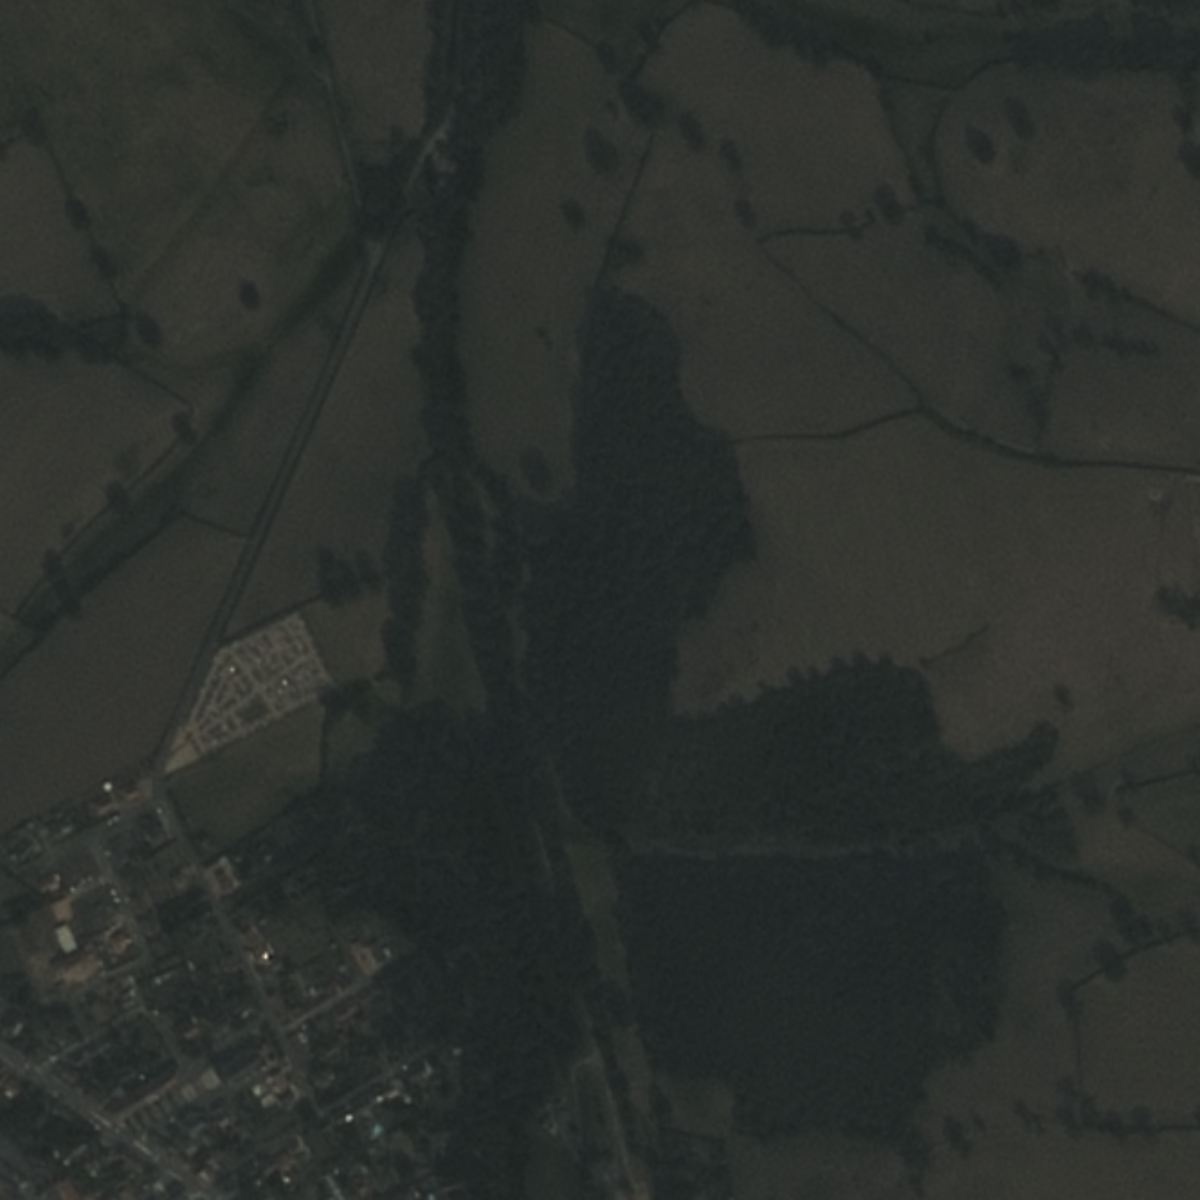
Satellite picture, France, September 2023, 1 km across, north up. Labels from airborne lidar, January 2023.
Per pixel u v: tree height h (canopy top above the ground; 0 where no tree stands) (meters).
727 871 15
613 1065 15
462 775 22
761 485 0
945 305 0
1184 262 0
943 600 0
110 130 0
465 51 12
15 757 0
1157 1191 0
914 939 19
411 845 7
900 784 7
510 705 23
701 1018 13
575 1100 0
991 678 0
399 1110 9
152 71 0
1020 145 0
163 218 0
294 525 0
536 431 0
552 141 0
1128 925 17
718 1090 0
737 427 0
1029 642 0
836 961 14
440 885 20
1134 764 0
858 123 0
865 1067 14
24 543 0
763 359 0
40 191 0
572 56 0
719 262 0
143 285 0
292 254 0
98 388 0
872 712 13
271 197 0
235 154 0
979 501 0
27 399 0
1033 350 0
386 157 0
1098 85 0
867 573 0
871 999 16
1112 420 0
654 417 16
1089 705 0
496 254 0
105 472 0
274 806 0
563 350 0
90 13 0
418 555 22
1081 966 0
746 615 0
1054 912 0
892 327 0
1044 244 0
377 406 0
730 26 0
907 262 0
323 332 0
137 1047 7
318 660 0
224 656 0
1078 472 0
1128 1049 0
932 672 0
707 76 0
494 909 24
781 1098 11
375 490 0
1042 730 10
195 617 0
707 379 0
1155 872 0
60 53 0
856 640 0
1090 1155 0
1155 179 0
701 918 12
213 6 0
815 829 16
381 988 7
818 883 13
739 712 14
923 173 0
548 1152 0
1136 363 0
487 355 0
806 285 0
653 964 9
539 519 20
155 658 0
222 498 0
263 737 0
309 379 0
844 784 8
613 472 17
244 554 0
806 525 0
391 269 0
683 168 0
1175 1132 0
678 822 6
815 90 0
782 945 15
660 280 0
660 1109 18
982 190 0
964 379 0
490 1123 21
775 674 0
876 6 0
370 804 23
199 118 0
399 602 18
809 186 0
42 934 0
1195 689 0
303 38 0
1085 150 0
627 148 0
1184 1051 0
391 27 0
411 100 0
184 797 0
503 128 0
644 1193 0
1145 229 0
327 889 6
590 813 7
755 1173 0
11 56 0
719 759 10
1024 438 0
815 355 0
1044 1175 0
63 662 0
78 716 0
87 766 0
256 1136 0
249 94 0
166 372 0
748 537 17
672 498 20
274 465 0
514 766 25
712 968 13
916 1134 13
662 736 11
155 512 0
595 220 0
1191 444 0
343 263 0
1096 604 0
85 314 0
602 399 17
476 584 20
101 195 0
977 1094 0
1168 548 0
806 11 0
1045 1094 0
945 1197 0
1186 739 0
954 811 9
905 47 0
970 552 0
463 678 0
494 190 0
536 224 0
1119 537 0
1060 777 0
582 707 15
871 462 0
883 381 0
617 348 15
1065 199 0
